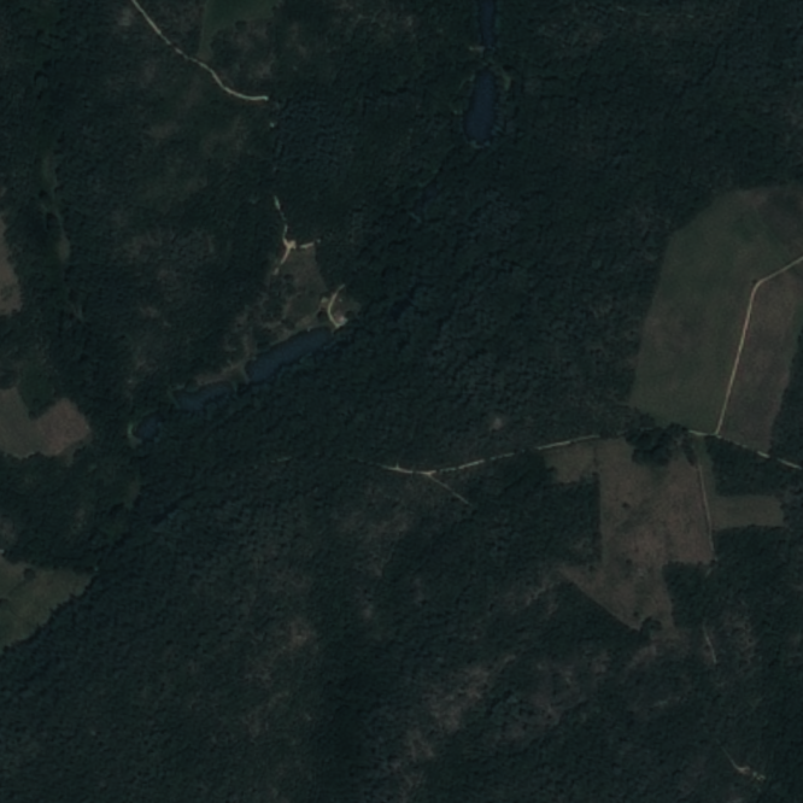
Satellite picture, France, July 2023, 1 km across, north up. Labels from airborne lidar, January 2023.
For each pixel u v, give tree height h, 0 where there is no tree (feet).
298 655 23
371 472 25
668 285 0
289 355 0
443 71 35
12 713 30
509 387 33
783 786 82
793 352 0
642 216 21
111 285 49
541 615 28
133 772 23
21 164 62
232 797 41
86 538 30
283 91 20
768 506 0
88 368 103
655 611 0
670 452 38
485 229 69
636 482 0
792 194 0
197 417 49
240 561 21
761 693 30
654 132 58
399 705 26
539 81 86
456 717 0
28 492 19
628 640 31
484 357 68
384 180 22
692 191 45
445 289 64
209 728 24
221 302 48
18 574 0
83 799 26
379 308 93
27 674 28
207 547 33
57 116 28
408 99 65
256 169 40
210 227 42
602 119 55
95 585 53
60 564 41
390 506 24
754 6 24
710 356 0
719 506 0
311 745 43
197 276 43
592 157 32
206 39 0
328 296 25
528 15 52
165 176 23
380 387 44
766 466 28
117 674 45
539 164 49
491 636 24
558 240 29
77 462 28
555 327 49
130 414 65
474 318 71
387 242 98
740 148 55
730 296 0
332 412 75
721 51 49
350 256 34
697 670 21
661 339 0
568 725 57
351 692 62
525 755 38
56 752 29
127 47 20
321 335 0
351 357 66
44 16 0
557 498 31
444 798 66
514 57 45
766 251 0
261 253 34
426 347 47
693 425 0
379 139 40
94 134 26
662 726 23
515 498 39
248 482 26
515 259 48
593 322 50
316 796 47
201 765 42
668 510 0
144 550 51
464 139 32
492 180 27
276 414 52
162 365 25
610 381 23
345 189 28
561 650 24
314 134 71
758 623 38
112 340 46
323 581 41
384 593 53
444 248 37
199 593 22
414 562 40
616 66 67
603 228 37
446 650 43
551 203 51
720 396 0
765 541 32
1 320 22
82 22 29
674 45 42
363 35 53
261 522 46
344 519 26
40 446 0
